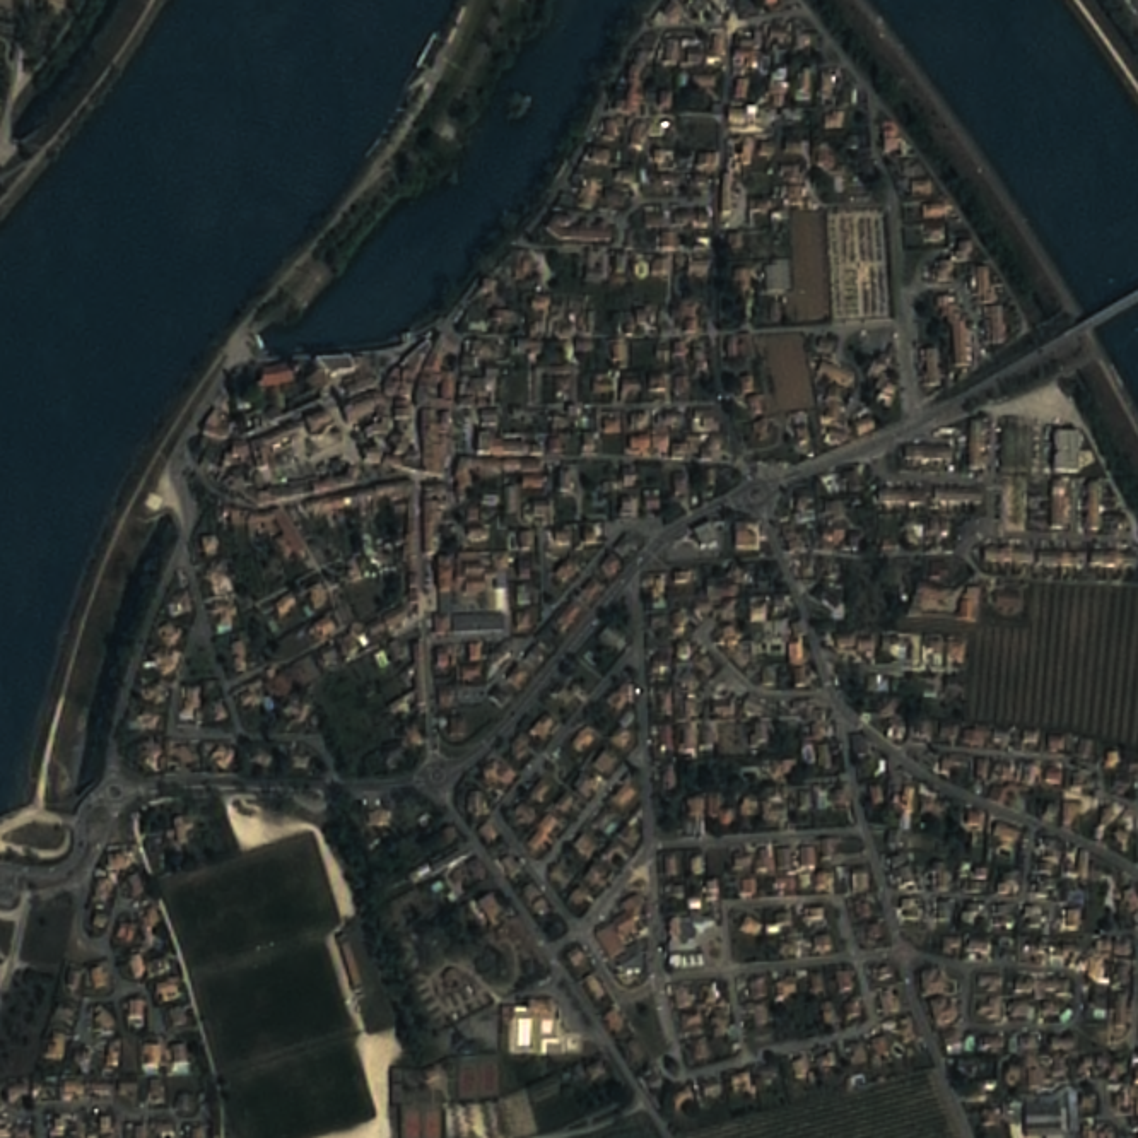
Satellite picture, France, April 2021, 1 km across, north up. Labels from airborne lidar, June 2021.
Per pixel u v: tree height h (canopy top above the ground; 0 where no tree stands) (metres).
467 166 0
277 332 0
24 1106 10
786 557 0
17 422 0
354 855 15
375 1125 0
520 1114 0
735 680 0
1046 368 8
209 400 0
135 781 0
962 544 0
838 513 0
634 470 6
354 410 0
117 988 0
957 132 0
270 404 11
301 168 0
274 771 8
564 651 0
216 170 0
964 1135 0
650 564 0
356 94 0
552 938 7
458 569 9
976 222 19
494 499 0
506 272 10
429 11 0
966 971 0
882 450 0
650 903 0
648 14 0
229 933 0
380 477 8
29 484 0
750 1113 6
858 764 16
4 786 0
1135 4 0
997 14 0
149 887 13
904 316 0
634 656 0
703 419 0
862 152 7
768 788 8
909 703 9
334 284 0
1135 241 0
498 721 0
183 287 0
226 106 0
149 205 0
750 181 10
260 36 0
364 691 8
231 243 0
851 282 0
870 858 0
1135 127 0
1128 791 7
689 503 0
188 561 0
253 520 0
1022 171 0
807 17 0
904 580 11
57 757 0
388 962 18
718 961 8
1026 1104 0
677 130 10
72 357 0
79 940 0
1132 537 0
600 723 8
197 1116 0
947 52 0
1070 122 0
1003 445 11
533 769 0
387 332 0
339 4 0
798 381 0
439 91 7
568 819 6
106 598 0
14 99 0
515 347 0
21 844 0
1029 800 8
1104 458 11
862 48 8
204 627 0
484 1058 0
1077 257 0
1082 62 0
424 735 7
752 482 0
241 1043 0
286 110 0
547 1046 0
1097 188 0
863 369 9
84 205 0
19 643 0
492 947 8
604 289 7
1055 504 0
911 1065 7
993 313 0
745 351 0
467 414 8
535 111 0
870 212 0
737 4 10
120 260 0
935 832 11
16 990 13
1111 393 0
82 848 0
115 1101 0
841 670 10
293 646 0
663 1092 8
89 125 0
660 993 0
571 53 0
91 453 0
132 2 0
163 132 0
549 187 22
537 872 0
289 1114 0
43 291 0
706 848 0
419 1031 21
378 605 9
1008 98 0
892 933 0
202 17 0
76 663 0
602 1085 6
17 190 0
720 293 12
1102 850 0
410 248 0
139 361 0
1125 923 8
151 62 0
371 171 0
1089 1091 8
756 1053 0
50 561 0
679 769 11
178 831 0
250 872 0
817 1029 8
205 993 0
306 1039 0
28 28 21
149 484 0
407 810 16
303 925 0
